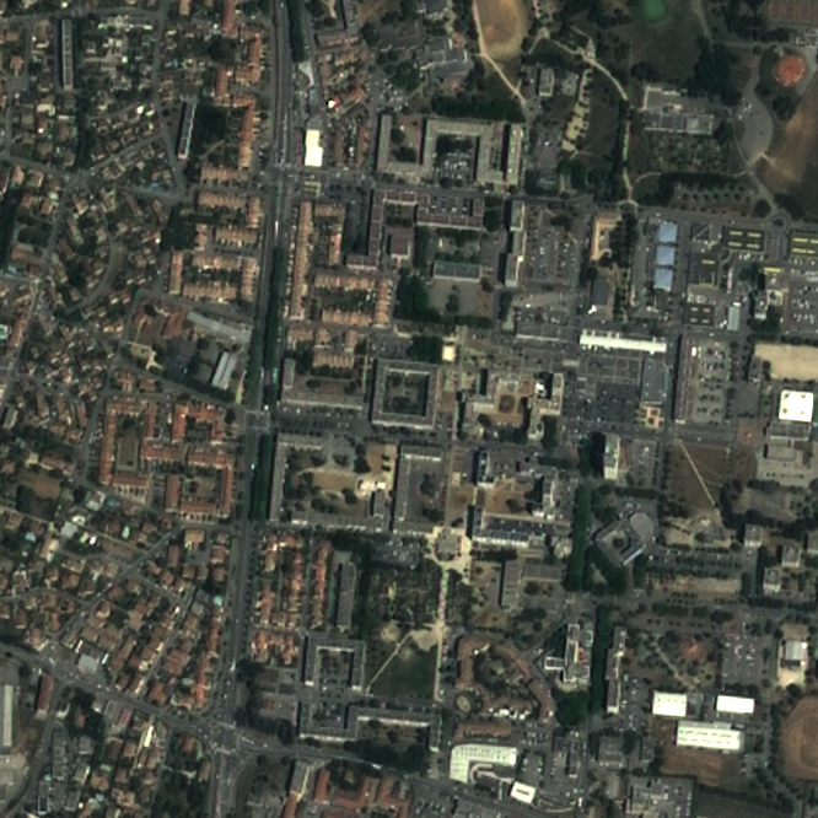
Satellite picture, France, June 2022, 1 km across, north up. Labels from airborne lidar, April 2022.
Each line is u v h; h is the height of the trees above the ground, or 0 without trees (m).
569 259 0
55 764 0
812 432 0
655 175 0
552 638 8
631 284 7
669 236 0
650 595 7
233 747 0
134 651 7
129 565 0
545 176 0
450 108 15
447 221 0
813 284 0
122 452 0
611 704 0
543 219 0
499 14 0
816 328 0
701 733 0
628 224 10
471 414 0
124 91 10
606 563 15
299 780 0
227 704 0
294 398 0
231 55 0
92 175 0
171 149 0
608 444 0
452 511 0
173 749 9
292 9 15
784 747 0
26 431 7
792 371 0
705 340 0
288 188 0
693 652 0
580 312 10
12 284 0
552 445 14
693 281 0
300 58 13
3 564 0
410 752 12
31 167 0
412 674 0
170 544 9
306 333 0
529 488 0
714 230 0
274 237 0
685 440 0
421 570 11
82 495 9
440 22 11
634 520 0
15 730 0
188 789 7
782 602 9
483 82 13
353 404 0
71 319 7
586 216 0
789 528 11
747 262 0
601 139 0
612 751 0
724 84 10
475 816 0
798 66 0
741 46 0
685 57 0
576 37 9
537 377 9
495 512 0
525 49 10
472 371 0
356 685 0
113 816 0
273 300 13
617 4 0
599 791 8
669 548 8
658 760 10
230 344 0
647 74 19
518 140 0
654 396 0
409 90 11
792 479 0
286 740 12
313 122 0
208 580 12
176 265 0
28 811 10
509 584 0
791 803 11
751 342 8
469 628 13
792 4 0
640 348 0
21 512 18
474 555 10
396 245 0
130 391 0
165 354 11
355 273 0
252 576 8
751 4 12
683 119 0
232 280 5
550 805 0
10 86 0
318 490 11
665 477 8
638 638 9
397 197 0
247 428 0
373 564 8
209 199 0
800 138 0
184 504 0
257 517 14
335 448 0
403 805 0
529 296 0
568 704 13
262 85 0
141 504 0
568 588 15
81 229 7
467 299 0
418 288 14
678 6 0
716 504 7
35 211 6
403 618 9
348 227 8
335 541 12
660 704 0
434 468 0
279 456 0
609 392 0
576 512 14
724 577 11
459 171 0
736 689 11
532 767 0
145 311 11
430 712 7
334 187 8
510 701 0
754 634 11
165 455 0
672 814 0
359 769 7
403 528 0
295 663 6
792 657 0
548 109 11
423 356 15
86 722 7
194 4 8
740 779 0
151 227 0
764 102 0
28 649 9
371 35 11
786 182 0
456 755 0
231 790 0
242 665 11
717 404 0
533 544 0
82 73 13
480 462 0
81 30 13
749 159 0
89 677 0
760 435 0
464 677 0
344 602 0
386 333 0
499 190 0
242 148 0
